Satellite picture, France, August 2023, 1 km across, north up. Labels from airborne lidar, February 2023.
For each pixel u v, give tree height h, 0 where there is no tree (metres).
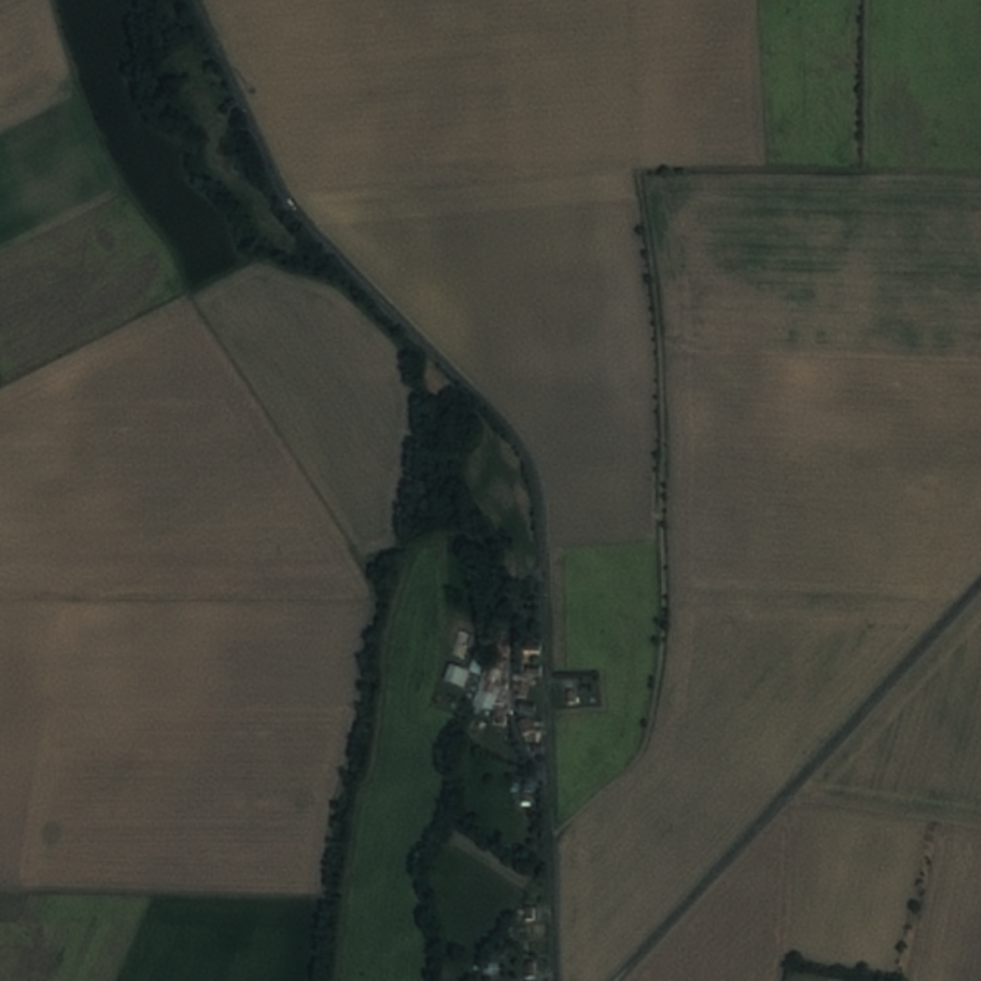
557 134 0
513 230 0
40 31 0
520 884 0
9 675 0
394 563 12
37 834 0
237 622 0
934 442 0
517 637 12
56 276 0
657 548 0
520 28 0
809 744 0
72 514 0
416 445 16
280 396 0
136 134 0
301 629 0
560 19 0
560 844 0
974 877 0
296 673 0
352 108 0
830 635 0
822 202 0
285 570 0
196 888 0
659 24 0
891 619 0
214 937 0
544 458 0
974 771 0
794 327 0
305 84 0
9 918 0
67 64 0
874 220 0
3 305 0
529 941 0
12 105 0
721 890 0
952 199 0
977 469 0
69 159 0
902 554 0
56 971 0
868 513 0
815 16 0
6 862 0
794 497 0
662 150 0
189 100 0
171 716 0
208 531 0
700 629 0
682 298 0
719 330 0
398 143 0
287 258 10
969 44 0
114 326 0
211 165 0
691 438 0
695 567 0
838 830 0
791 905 0
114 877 0
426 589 0
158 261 0
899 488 0
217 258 0
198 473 0
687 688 0
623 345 0
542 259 0
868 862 0
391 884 0
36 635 0
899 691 0
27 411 0
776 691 0
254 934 0
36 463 0
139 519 0
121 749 0
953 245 0
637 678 0
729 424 0
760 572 0
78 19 0
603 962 0
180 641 0
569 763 0
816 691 0
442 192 0
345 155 0
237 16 0
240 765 0
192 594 0
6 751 0
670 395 0
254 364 0
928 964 0
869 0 0
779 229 0
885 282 0
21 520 0
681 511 0
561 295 0
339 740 0
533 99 0
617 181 0
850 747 0
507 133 0
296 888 0
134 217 0
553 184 0
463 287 0
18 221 0
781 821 0
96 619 0
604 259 0
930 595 0
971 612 0
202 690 0
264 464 0
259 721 0
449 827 20
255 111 0
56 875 0
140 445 0
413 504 20
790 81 0
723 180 0
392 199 0
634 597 0
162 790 0
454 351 0
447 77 0
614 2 0
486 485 0
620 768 0
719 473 0
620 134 0
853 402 0
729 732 0
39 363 0
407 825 0
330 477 0
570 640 0
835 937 0
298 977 0
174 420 0
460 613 0
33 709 0
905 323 0
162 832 0
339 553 0
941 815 0
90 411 0
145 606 0
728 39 0
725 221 0
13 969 0
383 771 0
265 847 0
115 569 0
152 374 0
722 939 0
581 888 0
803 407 0
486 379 0
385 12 0
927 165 0
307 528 0
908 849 0
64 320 0
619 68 0
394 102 0
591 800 0
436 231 0
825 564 0
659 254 0
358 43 0
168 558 0
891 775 0
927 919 0
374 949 0
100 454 0
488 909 0
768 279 0
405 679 0
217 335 0
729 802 0
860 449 0
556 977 0
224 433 0
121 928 0
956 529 0
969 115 0
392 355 0
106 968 0
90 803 0
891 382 0
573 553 0
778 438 0
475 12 0
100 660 0
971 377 0
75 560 0
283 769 0
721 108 0
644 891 0
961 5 0
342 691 0
